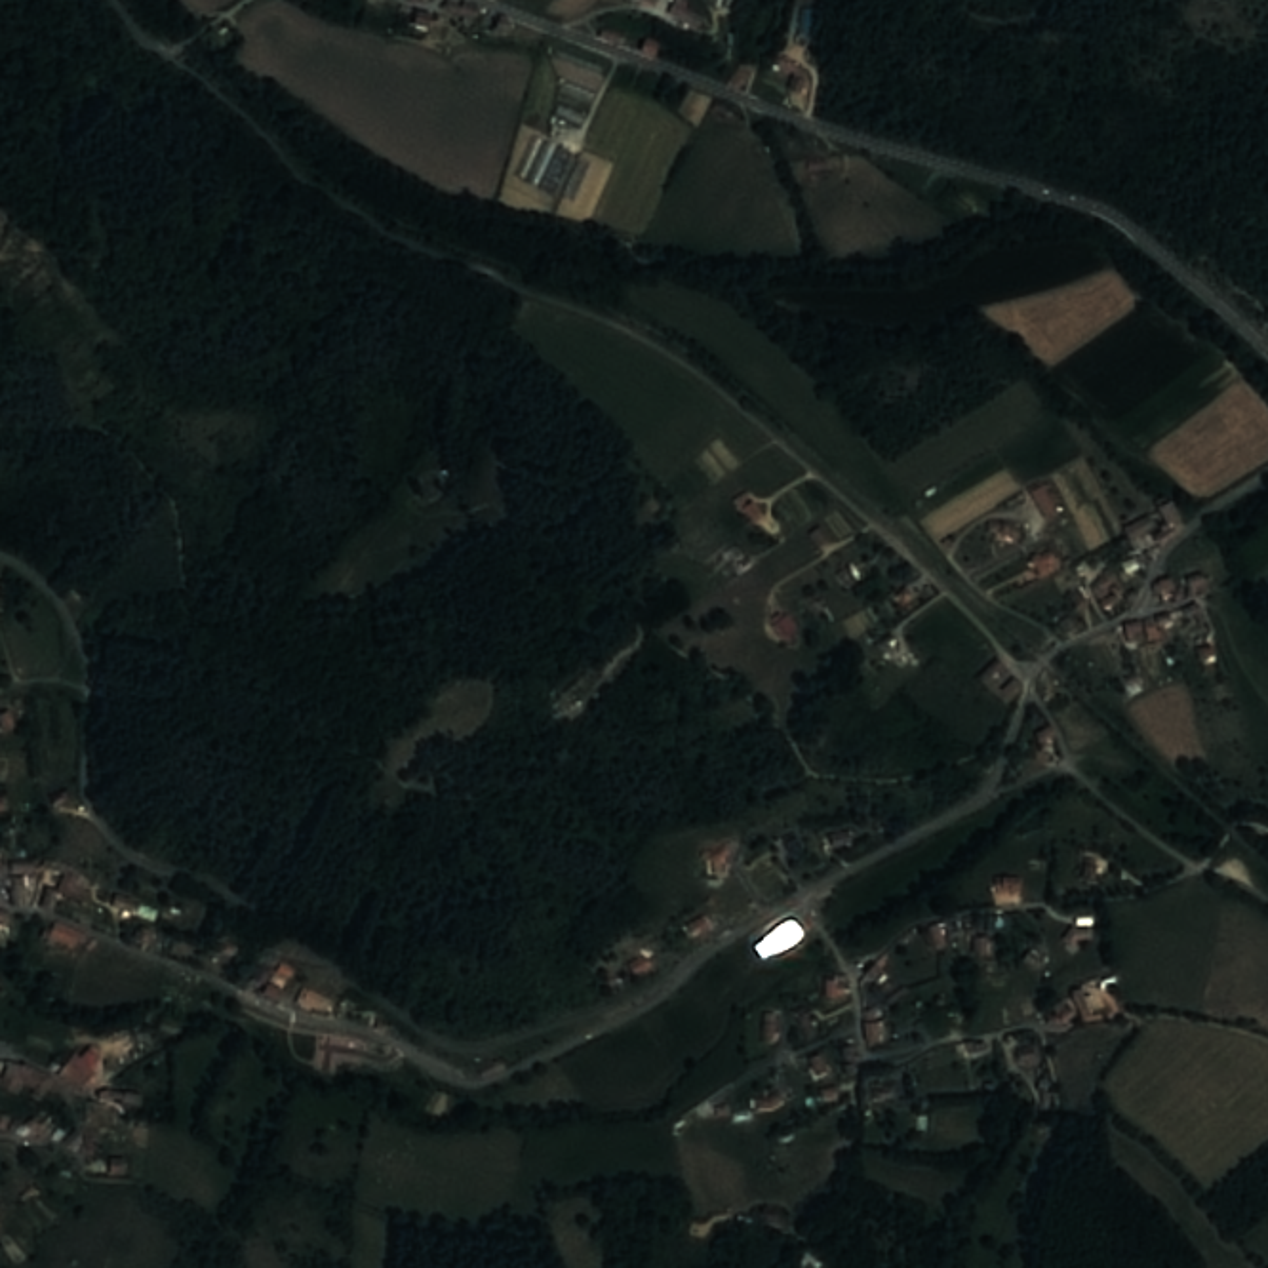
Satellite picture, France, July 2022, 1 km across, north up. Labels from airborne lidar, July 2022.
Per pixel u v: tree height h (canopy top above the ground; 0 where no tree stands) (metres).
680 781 8
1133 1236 13
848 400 13
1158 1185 0
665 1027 0
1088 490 0
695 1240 0
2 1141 0
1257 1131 0
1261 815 21
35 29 11
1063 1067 0
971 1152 14
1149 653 0
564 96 0
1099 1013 0
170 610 14
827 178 0
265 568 24
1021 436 0
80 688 0
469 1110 16
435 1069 0
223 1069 20
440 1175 0
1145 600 0
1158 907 0
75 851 0
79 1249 0
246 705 13
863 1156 13
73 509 15
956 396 7
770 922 0
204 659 11
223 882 7
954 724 0
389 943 24
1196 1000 0
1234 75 18
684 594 7
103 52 16
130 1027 8
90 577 16
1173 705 0
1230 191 10
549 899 9
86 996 0
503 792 10
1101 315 0
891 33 10
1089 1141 17
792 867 13
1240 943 0
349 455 19
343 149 12
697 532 0
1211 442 0
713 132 0
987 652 0
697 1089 0
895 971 0
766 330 18
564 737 11
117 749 22
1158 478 0
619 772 8
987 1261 0
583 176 0
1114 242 15
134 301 7
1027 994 0
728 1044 0
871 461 0
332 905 19
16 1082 0
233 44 9
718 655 0
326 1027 0
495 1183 0
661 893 0
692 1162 0
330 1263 9
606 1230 9
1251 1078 0
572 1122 20
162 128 31
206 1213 9
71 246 14
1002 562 0
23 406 13
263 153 18
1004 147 18
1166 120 18
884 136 15
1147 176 6
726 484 0
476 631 15
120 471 14
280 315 19
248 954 7
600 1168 0
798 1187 0
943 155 18
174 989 0
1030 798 16
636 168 0
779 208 0
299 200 13
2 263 0
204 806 18
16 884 0
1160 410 0
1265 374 19
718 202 0
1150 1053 0
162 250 15
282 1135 16
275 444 13
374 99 0
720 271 24
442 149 0
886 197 0
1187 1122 0
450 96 0
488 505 0
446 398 28
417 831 16
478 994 8
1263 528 9
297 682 13
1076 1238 19
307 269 18
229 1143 7
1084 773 0
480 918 23
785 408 0
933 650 0
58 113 11
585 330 0
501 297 19
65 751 0
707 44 8
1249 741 0
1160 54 6
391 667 19
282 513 14
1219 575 0
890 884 0
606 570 32
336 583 0
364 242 23
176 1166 0
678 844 0
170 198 31
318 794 7
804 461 0
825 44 6
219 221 13
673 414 0
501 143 0
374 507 22
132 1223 0
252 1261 0
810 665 0
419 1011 7
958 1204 21
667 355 0
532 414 28
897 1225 9
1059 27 19
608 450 17
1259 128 12
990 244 10
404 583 19
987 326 13
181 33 16
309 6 12
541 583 14
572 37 0
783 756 14
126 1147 0
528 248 20
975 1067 7
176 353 18
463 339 22
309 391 16
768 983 0
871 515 0
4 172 17
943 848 0
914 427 6
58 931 0
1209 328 14
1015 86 15
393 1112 26
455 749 13
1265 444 0
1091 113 13
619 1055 0
